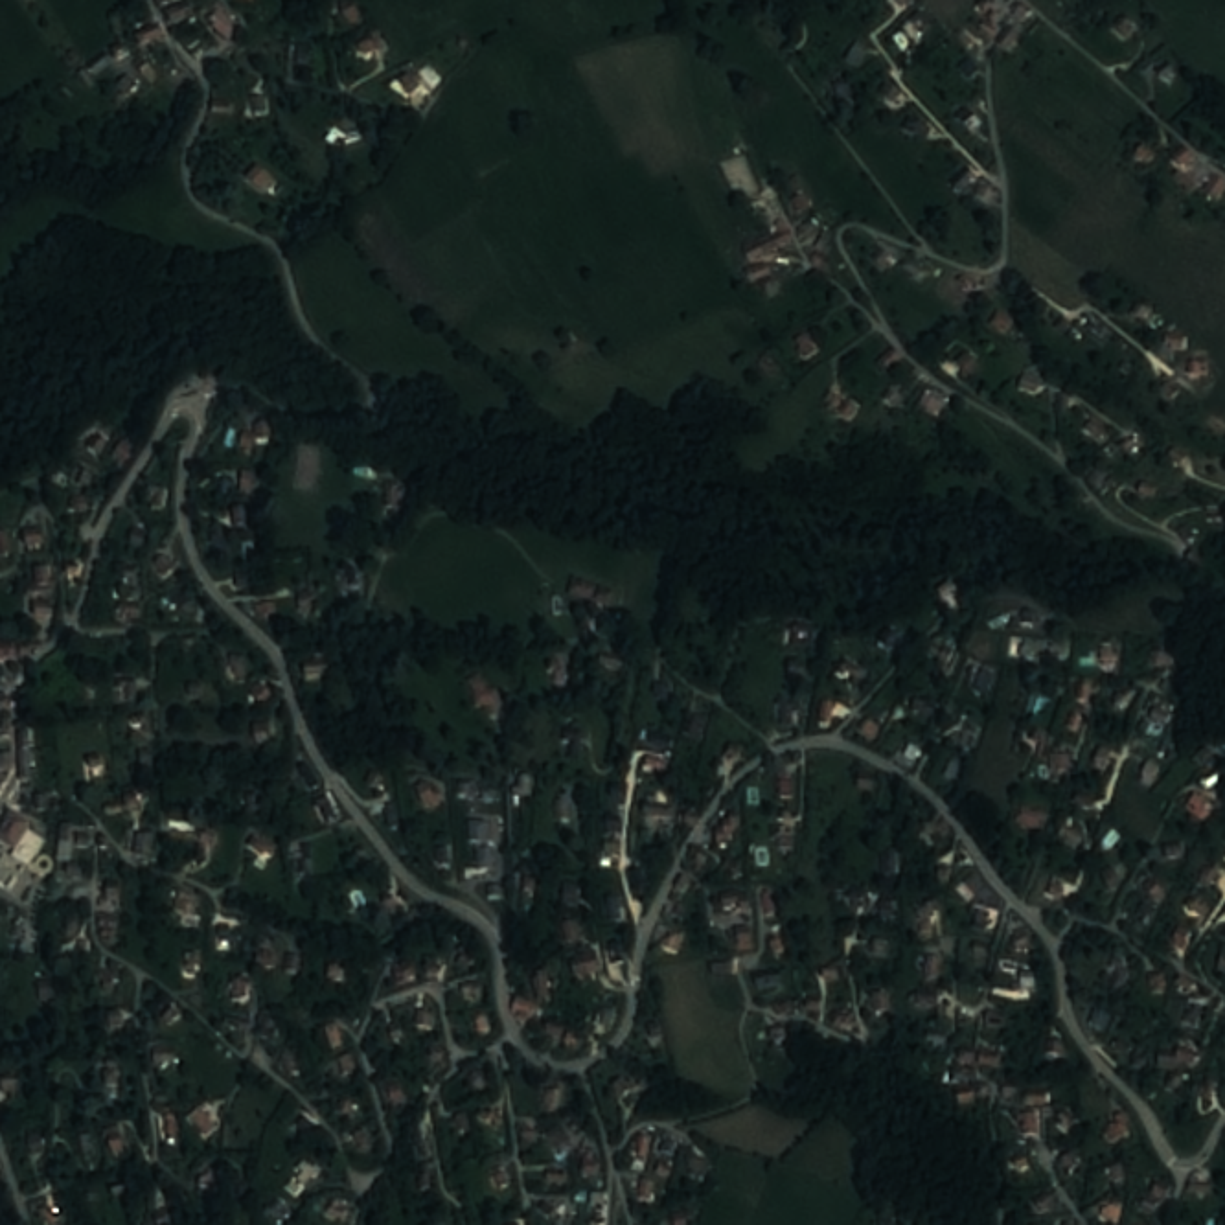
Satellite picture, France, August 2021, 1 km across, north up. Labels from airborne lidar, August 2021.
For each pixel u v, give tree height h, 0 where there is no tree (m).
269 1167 0
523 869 9
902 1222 10
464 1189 8
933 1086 10
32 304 18
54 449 21
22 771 0
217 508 8
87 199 18
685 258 0
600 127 0
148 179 20
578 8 0
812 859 0
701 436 21
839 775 0
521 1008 0
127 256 22
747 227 0
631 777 0
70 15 0
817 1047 19
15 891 0
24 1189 10
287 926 15
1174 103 0
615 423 19
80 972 7
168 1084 11
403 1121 6
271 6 0
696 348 0
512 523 23
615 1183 0
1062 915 11
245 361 32
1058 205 0
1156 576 17
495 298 0
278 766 18
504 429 24
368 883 13
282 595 0
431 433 31
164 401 17
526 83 0
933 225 12
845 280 0
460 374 0
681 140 0
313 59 8
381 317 0
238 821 18
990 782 0
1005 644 0
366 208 0
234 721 16
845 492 10
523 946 15
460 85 0
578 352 0
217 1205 27
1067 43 0
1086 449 11
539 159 0
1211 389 0
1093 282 19
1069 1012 0
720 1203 0
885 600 28
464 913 0
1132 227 0
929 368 6
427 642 24
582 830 6
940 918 0
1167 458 10
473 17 0
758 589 27
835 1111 21
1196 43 0
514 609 0
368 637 21
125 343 31
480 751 25
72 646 23
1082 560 21
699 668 11
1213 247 0
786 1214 0
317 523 0
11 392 25
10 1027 10
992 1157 10
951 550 22
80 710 12
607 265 0
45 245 16
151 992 8
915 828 13
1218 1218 7
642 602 0
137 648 10
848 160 0
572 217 0
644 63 0
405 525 19
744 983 0
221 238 0
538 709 16
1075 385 12
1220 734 11
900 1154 28
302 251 23
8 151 10
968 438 8
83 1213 12
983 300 17
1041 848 11
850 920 12
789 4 13
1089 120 0
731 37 0
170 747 6
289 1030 7
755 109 0
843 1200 0
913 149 0
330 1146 6
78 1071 0
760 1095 14
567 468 27
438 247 0
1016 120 0
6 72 0
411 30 0
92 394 31
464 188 0
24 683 8
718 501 34
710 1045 0
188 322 24
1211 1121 0
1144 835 0
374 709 17
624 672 6
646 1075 9
